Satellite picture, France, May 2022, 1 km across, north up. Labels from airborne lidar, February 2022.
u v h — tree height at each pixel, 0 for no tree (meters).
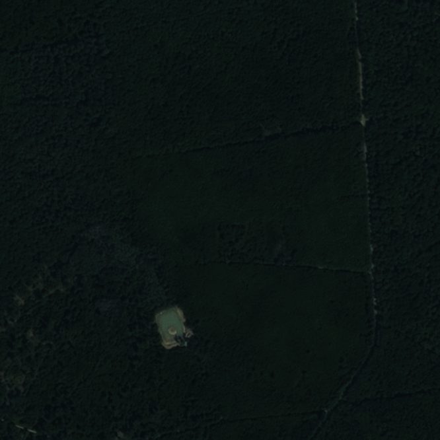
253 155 21
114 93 27
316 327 9
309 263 14
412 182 27
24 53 20
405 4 22
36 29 13
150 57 24
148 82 24
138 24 20
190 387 14
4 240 28
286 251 0
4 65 23
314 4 26
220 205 15
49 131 28
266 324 11
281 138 20
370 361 15
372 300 11
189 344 24
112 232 21
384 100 27
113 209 22
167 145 23
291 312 11
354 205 18
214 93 22
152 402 7
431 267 27
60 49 31
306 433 13
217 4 25
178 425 25
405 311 27
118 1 26
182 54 23
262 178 21
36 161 20
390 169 19
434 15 25
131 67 27
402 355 17
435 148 29
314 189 17
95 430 7
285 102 23
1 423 27
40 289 0
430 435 18
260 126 22
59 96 32
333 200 15
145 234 13
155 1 24
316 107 24
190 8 23
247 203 16
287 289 12
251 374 20
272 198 17
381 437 15
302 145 20
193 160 15
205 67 24
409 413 22
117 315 12
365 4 20
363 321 13
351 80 13
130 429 28
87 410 8
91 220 21
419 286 27
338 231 17
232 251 6
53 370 9
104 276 28
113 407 27
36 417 8
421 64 27
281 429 14
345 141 19
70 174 25
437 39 28
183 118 27
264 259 12
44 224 26
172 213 15
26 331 11
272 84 26
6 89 26
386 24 21
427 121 28
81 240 19
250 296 13
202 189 16
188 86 24
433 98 31
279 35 24
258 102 23
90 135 30
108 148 21
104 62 30
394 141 26
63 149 26
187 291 14
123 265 28
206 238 18
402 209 25
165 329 0
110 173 23
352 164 16
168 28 26
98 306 14
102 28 23
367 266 15
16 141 22
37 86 31
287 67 24
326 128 22
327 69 22
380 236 21
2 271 28
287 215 16
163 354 16
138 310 24
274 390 17
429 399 20
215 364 19
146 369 14
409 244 25
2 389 25
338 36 20
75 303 11
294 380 11
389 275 24
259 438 13
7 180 24
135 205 16
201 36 23
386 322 21
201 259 16
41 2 14
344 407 20
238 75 22
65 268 31
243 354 12
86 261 27
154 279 27
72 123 29
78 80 27
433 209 29
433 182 18
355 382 19
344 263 15
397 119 27
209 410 12
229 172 19
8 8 13
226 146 18
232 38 23
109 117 28
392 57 26
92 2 11
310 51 25
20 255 25
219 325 11
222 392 19
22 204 28
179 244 16
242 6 25
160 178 15
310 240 15
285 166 21
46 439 29
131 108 25
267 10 26
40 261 28
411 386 18
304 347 12
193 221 17
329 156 20
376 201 14
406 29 27
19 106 25
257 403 18
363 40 21
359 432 18
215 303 12
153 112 25
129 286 28
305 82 26
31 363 29
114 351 7
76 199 23
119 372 7
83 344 6
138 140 24
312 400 14
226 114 22
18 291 31
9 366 0
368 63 25
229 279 12
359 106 18
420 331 23
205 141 20
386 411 19
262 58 24
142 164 19
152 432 23
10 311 28
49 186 28
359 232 21
